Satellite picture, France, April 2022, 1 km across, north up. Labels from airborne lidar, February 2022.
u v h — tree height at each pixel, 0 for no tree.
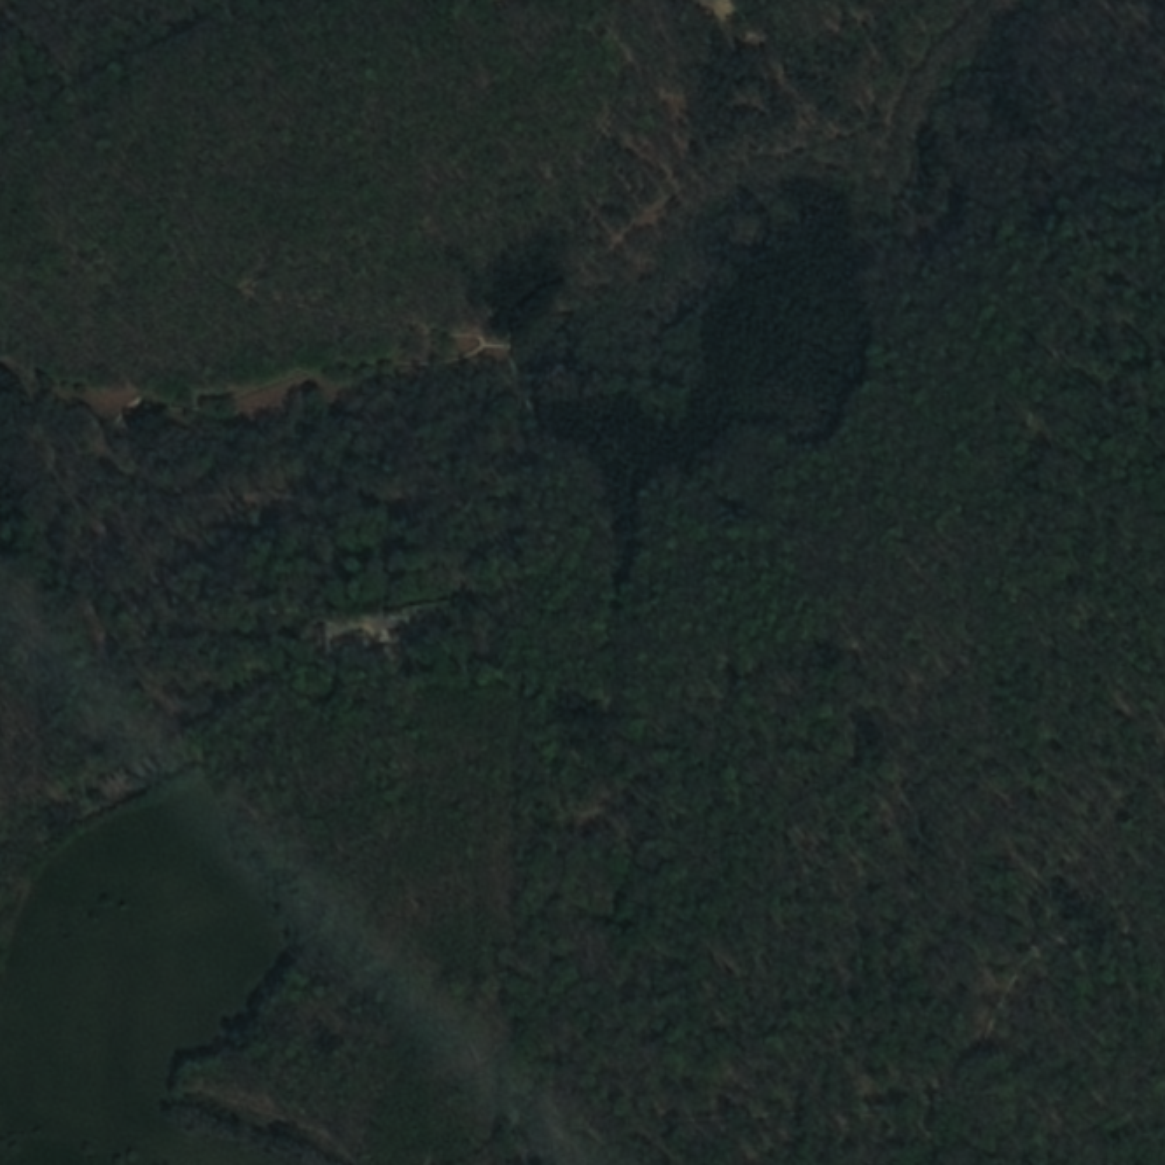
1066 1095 27
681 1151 29
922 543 28
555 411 26
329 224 23
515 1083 27
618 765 33
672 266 24
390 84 21
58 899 0
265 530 29
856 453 30
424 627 0
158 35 27
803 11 27
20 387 26
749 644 30
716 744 30
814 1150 34
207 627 30
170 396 20
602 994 29
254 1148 13
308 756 23
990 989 35
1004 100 27
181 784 12
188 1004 0
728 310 22
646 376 8
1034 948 0
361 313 23
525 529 31
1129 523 29
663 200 27
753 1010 29
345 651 0
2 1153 0
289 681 25
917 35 27
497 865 0
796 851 27
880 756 28
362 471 28
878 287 0
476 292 27
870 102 24
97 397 0
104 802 25
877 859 30
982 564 28
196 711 30
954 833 30
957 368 0
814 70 30
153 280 29
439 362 24
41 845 16
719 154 22
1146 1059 27
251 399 0
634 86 26
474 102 21
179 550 32
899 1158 33
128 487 28
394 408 22
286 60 24
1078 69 25
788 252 27
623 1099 24
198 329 26
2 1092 0
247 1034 20
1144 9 31
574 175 26
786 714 27
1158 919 0
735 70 29
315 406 23
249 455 26
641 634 35
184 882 0
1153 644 27
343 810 22
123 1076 0
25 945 0
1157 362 30
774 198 30
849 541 34
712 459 26
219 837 0
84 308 25
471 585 34
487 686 22
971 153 27
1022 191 29
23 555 14
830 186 26
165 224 25
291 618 34
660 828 32
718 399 20
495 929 0
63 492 32
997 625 28
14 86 29
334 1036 21
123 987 0
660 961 29
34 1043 0
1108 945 21
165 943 0
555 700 27
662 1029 29
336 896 25
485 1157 11
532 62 23
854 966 0
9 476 31
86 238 30
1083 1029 30
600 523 30
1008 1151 28
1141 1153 33
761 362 18
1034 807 27
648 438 22
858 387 10
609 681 33
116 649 0
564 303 29
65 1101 0
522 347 21
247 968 0
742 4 24
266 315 24
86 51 0
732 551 30
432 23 25
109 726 28
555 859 31
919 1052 27
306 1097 0
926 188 17
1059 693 25
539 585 32
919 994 31
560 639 31
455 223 23
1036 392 28
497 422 31
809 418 17
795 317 15
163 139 20
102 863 0
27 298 26
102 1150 0
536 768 26
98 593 30
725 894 28
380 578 35
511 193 24
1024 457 29
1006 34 25
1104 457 32
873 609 35
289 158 20
